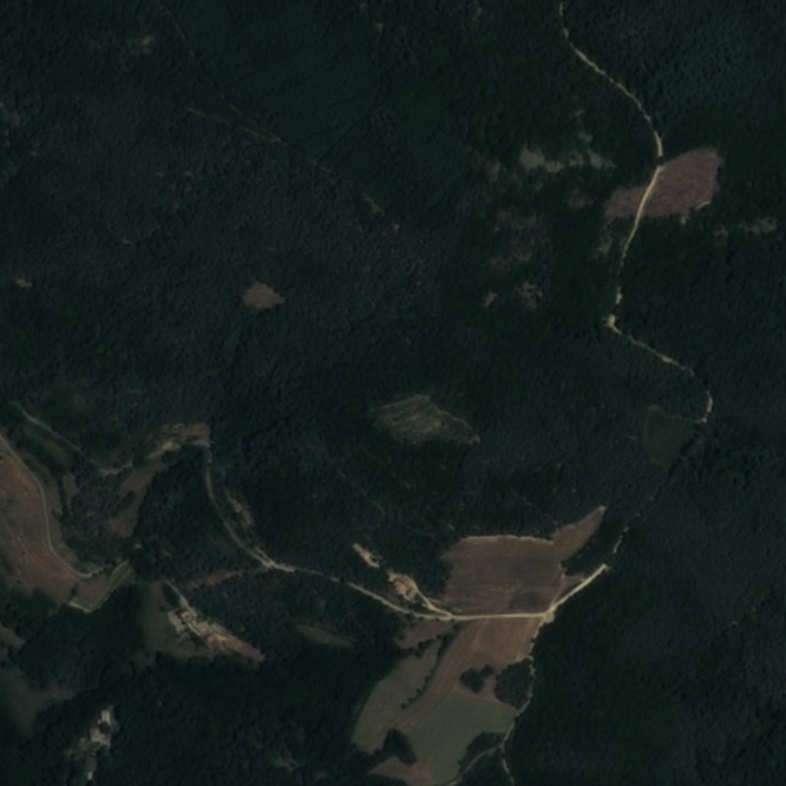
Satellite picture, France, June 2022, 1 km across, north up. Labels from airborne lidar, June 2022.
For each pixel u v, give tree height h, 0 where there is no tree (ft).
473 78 53
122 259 65
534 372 56
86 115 51
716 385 78
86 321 56
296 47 41
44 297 65
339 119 43
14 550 0
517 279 43
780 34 48
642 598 49
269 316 62
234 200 44
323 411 39
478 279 46
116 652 77
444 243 53
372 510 40
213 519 52
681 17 54
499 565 0
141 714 62
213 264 50
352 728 34
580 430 61
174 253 40
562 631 33
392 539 22
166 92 49
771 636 58
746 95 93
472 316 52
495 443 47
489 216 18
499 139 23
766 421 59
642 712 75
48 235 61
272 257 52
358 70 42
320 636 0
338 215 42
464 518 33
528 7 52
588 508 47
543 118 52
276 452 80
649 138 64
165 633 0
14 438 52
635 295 67
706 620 61
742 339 72
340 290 57
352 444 35
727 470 27
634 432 50
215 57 42
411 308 26
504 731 0
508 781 25
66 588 0
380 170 34
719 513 91
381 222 28
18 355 58
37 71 45
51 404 27
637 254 60
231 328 62
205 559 38
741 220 53
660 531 59
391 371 43
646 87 54
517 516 30
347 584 43
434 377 28
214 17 42
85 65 42
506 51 63
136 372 48
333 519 39
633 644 39
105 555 47
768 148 59
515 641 0
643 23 54
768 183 62
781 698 62
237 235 53
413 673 0
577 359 53
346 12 41
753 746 74
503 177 39
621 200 0
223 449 26
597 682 54
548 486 36
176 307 69
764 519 51
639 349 53
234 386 55
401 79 36
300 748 49
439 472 25
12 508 0
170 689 68
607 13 35
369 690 39
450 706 0
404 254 34
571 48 48
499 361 58
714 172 0
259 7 49
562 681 35
